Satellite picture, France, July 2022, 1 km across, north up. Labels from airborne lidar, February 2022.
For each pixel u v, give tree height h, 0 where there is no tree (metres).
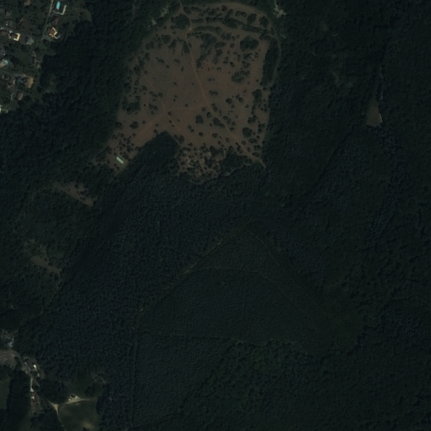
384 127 20
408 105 21
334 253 22
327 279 23
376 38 20
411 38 22
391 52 25
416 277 8
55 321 15
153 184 14
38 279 8
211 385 8
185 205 16
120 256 18
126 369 21
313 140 20
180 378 12
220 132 0
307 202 22
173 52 0
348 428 19
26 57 0
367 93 13
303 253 24
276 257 7
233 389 15
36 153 28
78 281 16
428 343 13
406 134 19
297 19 15
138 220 15
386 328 23
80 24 8
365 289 26
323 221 19
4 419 21
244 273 8
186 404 15
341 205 28
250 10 0
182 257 19
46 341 15
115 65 13
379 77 21
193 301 7
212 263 5
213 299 8
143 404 13
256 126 0
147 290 15
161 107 0
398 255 25
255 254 7
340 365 15
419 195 26
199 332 8
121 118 0
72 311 16
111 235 17
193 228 17
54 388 18
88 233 8
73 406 0
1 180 23
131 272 8
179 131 0
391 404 19
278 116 16
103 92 17
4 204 25
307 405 11
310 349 8
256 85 0
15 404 22
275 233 21
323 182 26
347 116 17
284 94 13
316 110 20
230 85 0
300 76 16
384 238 26
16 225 9
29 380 9
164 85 0
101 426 9
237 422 12
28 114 7
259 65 0
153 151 12
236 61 0
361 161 21
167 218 18
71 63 19
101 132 12
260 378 18
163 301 9
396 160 30
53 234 14
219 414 14
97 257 17
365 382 14
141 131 0
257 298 7
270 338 6
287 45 9
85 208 13
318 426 12
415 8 31
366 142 19
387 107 19
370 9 24
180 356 11
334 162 22
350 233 21
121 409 20
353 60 18
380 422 18
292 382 17
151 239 17
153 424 10
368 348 22
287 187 20
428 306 23
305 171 21
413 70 24
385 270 21
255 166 8
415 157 23
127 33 10
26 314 16
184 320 8
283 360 7
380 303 23
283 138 11
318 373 16
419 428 22
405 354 22
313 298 7
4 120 20
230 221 20
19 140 25
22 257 8
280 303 8
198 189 13
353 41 16
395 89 23
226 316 9
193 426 15
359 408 18
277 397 9
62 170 15
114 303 18
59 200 7
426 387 22
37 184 16
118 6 22
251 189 17
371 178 24
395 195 19
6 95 0
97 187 8
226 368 14
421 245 24
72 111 26
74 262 17
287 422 10
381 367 18
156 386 12
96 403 0
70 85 7
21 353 10
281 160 15
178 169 10
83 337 20
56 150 22
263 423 11
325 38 11
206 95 0
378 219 27
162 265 11
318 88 21
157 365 12
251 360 10
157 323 8
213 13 10
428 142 13
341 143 12
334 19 18
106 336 18
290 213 25
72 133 21
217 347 11
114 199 15
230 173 14
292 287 8
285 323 10
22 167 30
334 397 15
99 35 24
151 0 9
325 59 15
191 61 0
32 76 0
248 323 8
